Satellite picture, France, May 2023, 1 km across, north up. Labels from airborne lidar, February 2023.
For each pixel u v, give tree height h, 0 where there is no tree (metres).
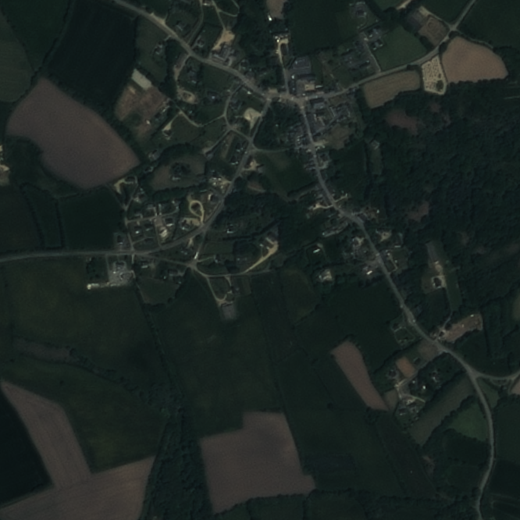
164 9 0
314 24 0
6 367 0
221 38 0
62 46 0
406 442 0
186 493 23
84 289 0
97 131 0
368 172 12
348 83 0
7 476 0
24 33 0
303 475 0
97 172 0
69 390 0
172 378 7
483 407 6
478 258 14
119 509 0
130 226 0
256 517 12
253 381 0
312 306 0
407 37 0
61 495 0
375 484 0
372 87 0
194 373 0
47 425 0
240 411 0
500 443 0
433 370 9
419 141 7
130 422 0
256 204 7
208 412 0
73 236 0
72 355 9
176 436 6
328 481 0
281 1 0
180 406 9
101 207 0
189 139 0
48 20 0
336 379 0
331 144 0
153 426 0
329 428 0
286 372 0
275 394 0
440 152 12
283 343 0
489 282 10
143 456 0
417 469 0
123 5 0
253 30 8
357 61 0
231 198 11
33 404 0
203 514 21
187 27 9
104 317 0
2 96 0
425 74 0
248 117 0
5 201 0
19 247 0
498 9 0
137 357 0
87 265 8
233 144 0
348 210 0
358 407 0
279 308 0
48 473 0
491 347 14
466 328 0
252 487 0
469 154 9
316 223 0
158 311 9
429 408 10
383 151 12
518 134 8
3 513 0
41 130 0
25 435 0
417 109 12
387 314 0
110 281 0
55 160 0
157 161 10
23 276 0
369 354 0
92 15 0
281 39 0
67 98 0
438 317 0
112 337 0
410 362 0
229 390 0
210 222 0
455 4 0
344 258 6
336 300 0
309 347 0
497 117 6
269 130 13
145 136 0
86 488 0
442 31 0
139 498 0
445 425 12
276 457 0
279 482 0
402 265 0
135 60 8
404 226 7
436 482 8
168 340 0
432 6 0
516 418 0
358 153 0
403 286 18
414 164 10
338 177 15
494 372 0
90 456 0
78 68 0
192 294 0
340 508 0
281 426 0
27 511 0
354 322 0
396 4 0
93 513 0
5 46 0
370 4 17
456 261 15
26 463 0
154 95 0
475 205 14
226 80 0
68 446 0
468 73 0
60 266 0
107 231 0
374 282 17
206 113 0
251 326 0
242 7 8
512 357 13
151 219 0
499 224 10
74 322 0
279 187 0
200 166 0
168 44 11
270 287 0
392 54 0
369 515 16
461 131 14
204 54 9
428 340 0
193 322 0
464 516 8
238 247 11
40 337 0
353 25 0
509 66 10
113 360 0
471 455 0
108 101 0
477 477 0
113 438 0
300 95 0
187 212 0
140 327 0
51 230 0
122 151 0
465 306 10
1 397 0
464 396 0
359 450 0
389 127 11
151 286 0
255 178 12
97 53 0
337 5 0
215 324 0
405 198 11
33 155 0
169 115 10
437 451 9
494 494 0
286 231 17
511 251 0
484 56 0
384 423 0
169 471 21
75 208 0
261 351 0
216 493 0
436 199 14
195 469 18
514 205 20
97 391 0
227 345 0
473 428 0
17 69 0
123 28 0
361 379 0
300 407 0
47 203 0
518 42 0
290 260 11
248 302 0
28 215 0
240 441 0
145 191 10
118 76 0
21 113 0
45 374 0
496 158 12
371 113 8
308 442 0
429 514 0
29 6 0
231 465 0
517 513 0
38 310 0
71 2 7
